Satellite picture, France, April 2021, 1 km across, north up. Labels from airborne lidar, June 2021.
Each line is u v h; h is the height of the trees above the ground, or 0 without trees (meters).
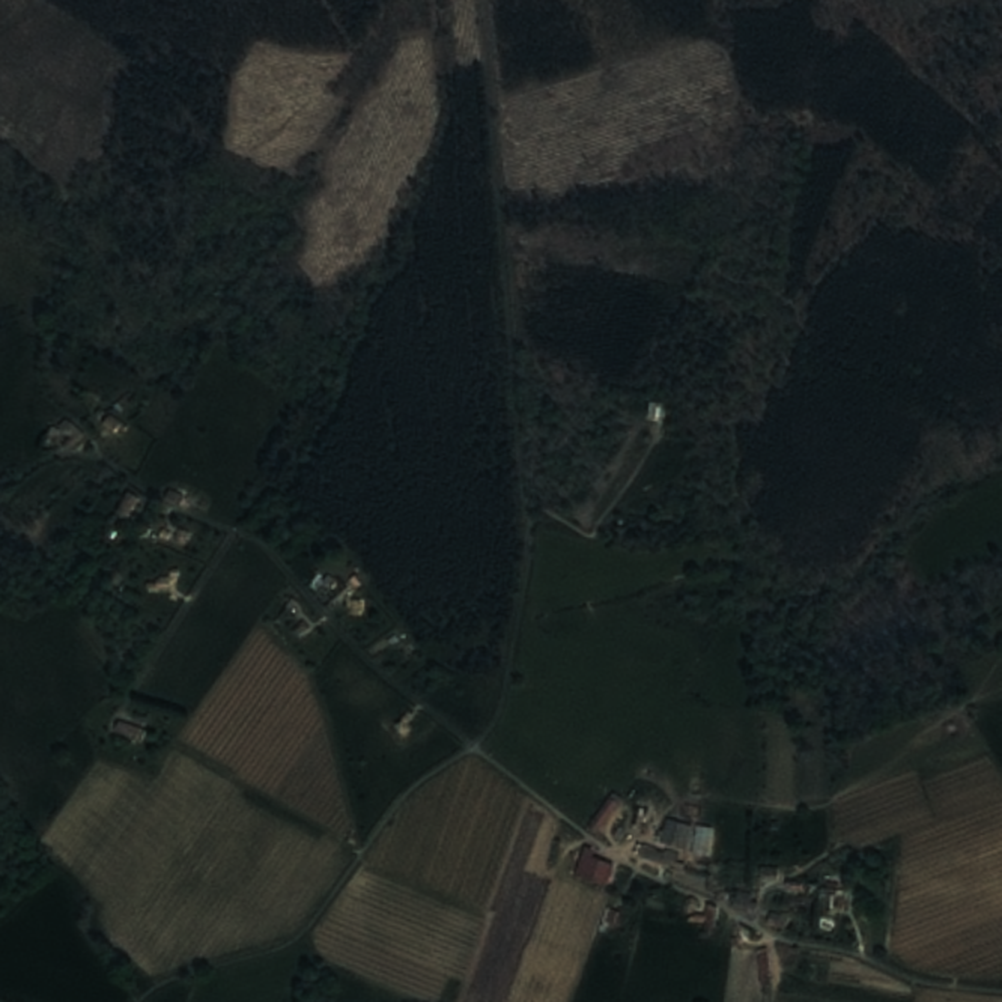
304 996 19
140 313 13
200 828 0
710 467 12
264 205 14
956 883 0
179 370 12
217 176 12
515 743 0
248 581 0
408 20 8
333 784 0
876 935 0
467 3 0
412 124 0
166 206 11
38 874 17
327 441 16
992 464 16
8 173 12
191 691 0
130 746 10
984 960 0
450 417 12
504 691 0
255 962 0
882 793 0
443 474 13
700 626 0
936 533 0
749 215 10
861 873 19
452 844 0
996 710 0
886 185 9
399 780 0
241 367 13
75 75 0
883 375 14
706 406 13
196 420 0
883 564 10
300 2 12
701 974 0
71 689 0
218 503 0
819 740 0
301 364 10
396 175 0
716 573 19
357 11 18
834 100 10
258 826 0
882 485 12
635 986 0
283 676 0
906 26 6
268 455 12
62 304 10
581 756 0
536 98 0
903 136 12
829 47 10
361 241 0
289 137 0
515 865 0
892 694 9
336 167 0
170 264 12
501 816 0
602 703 0
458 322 11
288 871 0
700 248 12
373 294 16
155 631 12
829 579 15
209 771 0
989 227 8
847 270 11
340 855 0
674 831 0
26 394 0
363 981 0
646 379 8
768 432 12
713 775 0
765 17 10
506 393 10
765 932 0
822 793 0
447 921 0
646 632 0
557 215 14
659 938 0
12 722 0
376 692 0
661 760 0
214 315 8
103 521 6
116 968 22
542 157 0
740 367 9
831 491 11
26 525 13
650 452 0
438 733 0
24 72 0
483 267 14
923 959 0
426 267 13
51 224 12
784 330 8
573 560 0
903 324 10
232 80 12
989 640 21
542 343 8
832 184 12
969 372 12
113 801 0
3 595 18
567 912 0
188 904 0
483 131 11
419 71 0
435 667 12
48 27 0
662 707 0
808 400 11
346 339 11
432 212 12
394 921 0
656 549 12
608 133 0
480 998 0
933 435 13
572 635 0
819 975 0
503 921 0
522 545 15
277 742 0
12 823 14
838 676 25
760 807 0
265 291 20
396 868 0
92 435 9
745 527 12
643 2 7
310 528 18
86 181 8
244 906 0
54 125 0
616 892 13
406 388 11
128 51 16
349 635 6
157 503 16
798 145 17
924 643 23
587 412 14
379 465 14
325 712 0
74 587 14
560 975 0
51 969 0
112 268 13
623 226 13
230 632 0
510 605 15
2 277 0
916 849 0
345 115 0
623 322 6
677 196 14
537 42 9
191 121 9
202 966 12
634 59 0
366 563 11
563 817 0
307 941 0
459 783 0
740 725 0
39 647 0
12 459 0
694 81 0
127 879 0
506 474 15
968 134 11
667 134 0
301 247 7
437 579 12
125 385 0
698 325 7
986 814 0
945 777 0
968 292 12
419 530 12
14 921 0
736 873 9
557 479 13
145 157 15
